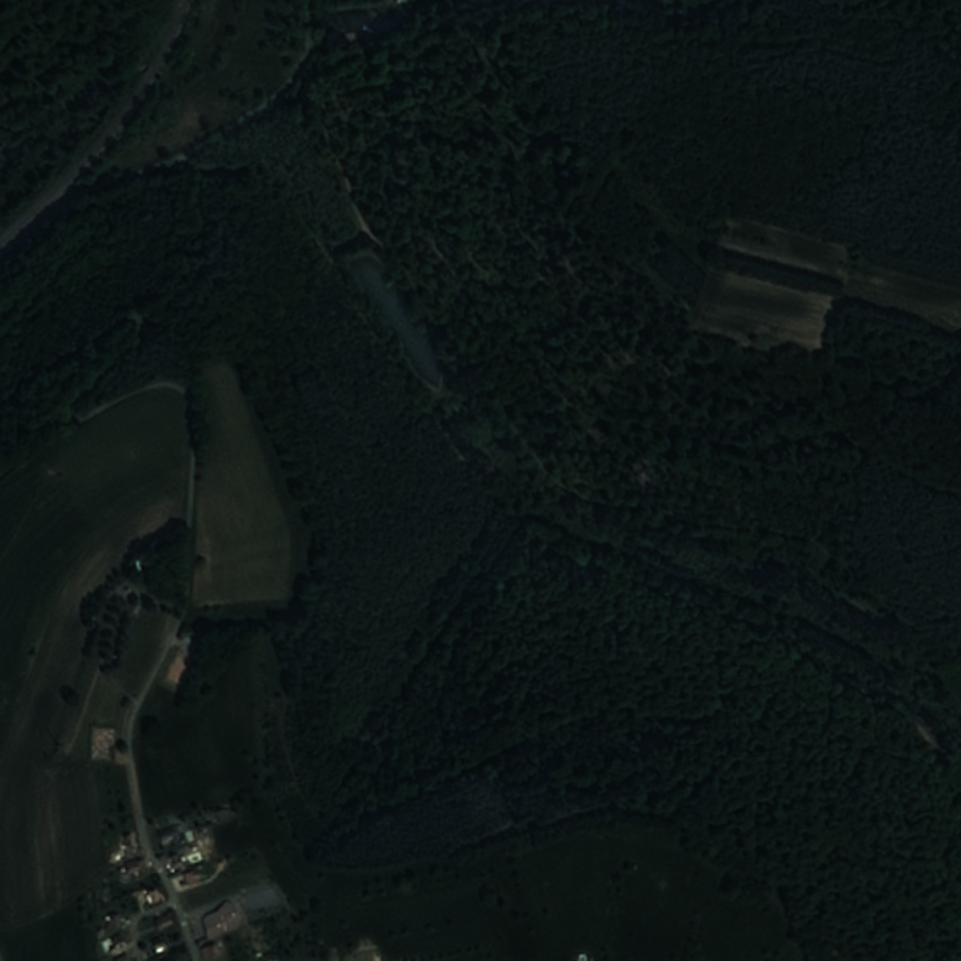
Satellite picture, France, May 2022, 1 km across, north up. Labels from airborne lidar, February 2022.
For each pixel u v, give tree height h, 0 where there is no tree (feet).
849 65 75
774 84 78
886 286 0
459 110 90
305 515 51
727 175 80
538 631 99
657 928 0
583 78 76
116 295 45
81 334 45
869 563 83
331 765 46
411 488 77
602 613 108
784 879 96
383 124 30
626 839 0
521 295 106
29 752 0
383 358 57
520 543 88
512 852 45
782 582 100
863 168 99
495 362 64
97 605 32
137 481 0
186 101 0
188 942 0
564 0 117
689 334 78
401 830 94
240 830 0
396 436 73
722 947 0
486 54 113
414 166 102
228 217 52
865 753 104
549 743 72
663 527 89
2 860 0
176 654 0
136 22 66
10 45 116
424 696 41
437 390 0
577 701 104
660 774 99
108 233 91
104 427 0
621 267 81
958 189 91
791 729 108
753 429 24
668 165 71
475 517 72
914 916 98
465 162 88
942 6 107
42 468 0
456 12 116
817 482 108
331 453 68
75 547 0
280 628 65
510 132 20
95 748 0
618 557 62
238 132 72
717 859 79
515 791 93
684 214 60
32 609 0
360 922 0
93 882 0
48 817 0
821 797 117
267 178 55
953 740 92
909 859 100
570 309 80
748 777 114
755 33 60
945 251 82
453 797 92
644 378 25
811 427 112
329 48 102
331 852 72
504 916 0
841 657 82
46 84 104
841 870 110
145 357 73
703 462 101
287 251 58
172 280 68
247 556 0
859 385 55
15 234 0
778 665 102
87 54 103
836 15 92
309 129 68
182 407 0
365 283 0
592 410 99
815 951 94
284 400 51
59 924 0
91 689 0
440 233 105
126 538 0
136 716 0
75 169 0
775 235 0
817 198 85
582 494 52
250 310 62
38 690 0
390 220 95
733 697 99
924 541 83
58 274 86
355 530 81
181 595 58
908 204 94
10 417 97
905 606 58
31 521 0
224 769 0
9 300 65
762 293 0
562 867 0
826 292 51
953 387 77
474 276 92
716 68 78
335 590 74
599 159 72
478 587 93
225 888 0
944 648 75
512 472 0
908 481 81
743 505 49
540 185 34
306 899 0
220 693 0
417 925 0
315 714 72
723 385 101
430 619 101
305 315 69
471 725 93
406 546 76
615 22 66
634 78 80
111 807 0
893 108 80
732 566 57
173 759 0
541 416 30
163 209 52
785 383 31
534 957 0
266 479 0
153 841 0
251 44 0
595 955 0
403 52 27
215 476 0
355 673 72
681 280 78
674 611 98
